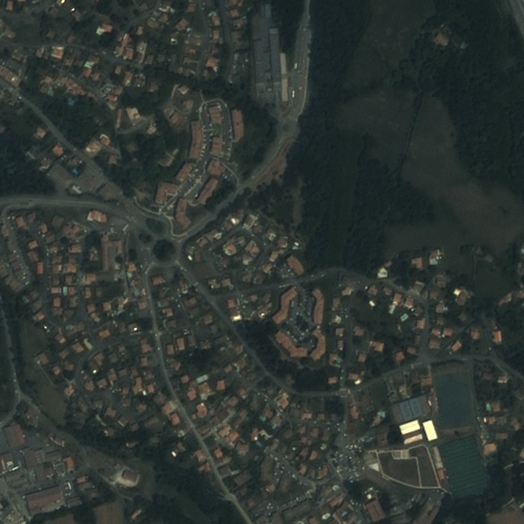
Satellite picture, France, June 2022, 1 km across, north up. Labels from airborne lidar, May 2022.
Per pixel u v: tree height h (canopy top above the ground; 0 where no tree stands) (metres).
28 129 0
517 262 15
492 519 0
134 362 10
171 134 17
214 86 22
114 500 20
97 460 0
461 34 12
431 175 0
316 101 20
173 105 0
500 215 0
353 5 17
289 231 9
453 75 8
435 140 0
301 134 8
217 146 0
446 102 7
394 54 0
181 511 8
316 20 20
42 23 8
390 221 11
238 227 0
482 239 0
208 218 0
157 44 6
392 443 17
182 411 0
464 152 6
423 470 0
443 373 0
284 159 0
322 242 15
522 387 7
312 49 21
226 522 10
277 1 18
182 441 9
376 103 0
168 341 0
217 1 10
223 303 0
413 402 0
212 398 8
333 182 15
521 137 13
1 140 13
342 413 14
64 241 14
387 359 10
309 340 9
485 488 0
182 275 7
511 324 18
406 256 8
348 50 13
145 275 0
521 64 12
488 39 8
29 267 6
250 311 0
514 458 0
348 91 12
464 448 0
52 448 0
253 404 0
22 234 8
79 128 11
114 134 7
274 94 0
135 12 13
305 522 0
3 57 13
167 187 0
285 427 9
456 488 0
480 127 15
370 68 0
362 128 0
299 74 0
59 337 0
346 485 14
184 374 7
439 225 0
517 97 8
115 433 7
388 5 0
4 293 12
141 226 0
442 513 20
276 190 19
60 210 0
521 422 7
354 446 0
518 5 0
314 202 24
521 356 21
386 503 20
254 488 9
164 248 15
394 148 0
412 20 0
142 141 23
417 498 0
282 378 7
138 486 0
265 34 0
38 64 15
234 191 19
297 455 7
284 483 0
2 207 0
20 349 14
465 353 11
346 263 20
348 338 0
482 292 0
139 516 7
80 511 17
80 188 0
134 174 27
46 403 0
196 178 0
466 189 0
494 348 9
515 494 14
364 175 15
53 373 7
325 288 0
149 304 0
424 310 10
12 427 0
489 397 9
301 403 6
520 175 20
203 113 0
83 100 16
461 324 10
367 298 12
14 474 0
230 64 0
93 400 8
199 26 0
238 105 19
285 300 0
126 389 0
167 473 17
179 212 0
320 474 0
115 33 15
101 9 21
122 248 0
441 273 0
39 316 0
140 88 8
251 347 16
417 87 10
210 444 0
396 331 0
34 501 0
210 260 0
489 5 12
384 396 0
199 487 20
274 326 12
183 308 0
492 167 18
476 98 17
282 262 9
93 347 0
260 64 0
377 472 0
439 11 15
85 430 7
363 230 10
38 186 9
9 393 0
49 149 16
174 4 8
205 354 20
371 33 0
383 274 0
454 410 0
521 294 0
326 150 17
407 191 9
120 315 6
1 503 6
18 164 18
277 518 0
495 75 15
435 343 0
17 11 7
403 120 0
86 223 0
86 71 0
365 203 18
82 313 0
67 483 0
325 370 10
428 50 25
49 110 19
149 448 9
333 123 11
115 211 0
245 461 0
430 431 0
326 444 0
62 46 0
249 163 9
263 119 25
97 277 0
